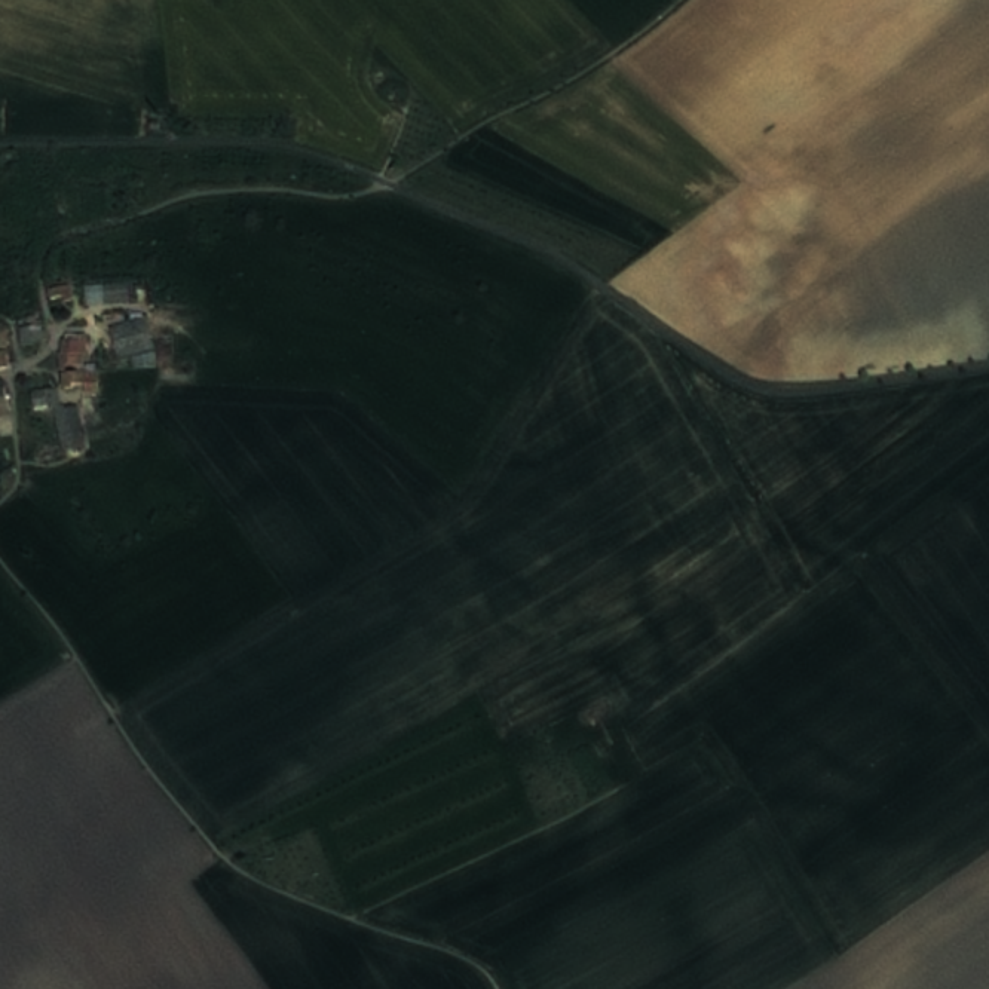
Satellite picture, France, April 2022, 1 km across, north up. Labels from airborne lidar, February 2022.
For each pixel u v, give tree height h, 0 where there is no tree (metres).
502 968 0
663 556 0
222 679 0
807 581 0
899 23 0
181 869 0
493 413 0
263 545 0
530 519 0
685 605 0
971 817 0
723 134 0
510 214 0
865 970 0
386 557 0
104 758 0
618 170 0
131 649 0
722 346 0
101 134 0
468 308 0
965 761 0
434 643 0
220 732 0
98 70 0
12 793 0
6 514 0
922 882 0
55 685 0
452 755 0
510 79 0
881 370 0
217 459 0
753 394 0
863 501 0
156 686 0
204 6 0
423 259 0
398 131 0
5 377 0
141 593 0
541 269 0
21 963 0
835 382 0
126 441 0
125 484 0
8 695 0
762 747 0
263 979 0
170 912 0
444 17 0
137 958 0
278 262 0
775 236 0
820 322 0
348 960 0
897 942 0
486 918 0
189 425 0
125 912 0
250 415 0
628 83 0
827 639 0
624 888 0
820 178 0
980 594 0
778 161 0
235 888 0
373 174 0
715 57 0
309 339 0
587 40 0
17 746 0
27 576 0
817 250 0
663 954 0
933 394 0
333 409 0
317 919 0
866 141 0
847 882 0
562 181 0
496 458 0
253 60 0
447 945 0
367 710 0
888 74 0
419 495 0
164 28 0
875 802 0
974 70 0
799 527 0
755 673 0
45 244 10
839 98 0
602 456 0
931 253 0
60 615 0
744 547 0
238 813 0
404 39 0
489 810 0
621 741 0
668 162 0
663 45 0
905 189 0
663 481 0
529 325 0
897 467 0
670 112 0
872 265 0
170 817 0
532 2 0
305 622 0
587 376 0
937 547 0
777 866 0
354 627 0
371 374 0
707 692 0
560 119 0
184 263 0
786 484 0
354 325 0
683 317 0
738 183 0
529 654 0
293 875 0
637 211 0
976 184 0
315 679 0
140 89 0
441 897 0
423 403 0
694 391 0
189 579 0
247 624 0
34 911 0
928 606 0
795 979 0
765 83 0
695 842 0
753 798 0
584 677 0
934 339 0
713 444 0
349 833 0
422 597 0
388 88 0
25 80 0
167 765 0
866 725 0
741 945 0
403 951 0
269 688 0
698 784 0
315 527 0
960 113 0
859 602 0
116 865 0
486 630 0
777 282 0
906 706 0
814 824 0
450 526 0
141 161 0
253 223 18
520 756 0
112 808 0
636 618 0
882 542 0
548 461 0
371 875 0
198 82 0
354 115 0
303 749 0
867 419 0
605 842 0
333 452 0
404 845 0
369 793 0
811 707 0
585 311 0
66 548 0
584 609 0
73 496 0
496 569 0
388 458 0
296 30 0
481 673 0
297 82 0
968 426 0
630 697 0
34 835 0
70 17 0
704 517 0
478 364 0
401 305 0
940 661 0
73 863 0
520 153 0
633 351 0
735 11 0
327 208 0
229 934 0
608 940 0
